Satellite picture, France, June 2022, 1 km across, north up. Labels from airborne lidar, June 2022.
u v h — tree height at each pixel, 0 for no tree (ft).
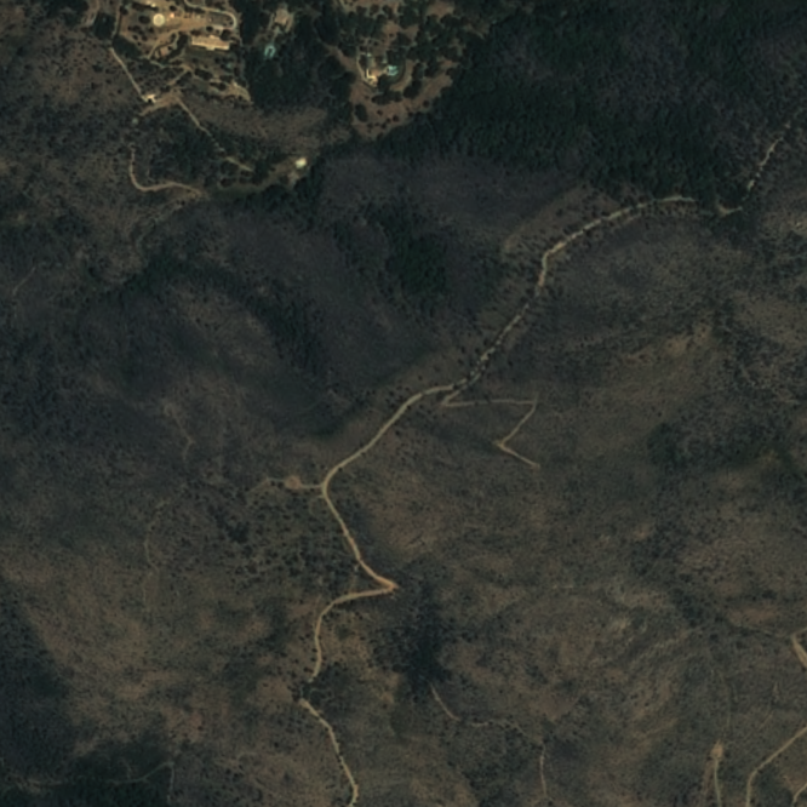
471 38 47
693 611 38
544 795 0
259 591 0
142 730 0
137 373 33
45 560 0
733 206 25
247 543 29
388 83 48
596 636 0
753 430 23
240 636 0
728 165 32
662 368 0
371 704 0
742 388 26
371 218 34
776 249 34
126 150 37
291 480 0
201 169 27
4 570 0
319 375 27
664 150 44
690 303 22
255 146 25
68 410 24
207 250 22
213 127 29
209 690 0
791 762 0
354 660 0
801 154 25
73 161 25
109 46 19
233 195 0
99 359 26
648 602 0
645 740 0
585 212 23
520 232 0
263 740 0
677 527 27
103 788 27
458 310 45
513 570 0
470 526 0
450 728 26
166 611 0
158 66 25
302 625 0
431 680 29
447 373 0
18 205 30
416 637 46
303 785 0
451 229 29
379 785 0
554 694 0
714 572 46
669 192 26
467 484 0
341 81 54
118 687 0
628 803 0
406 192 30
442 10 0
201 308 0
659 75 29
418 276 45
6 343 30
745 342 29
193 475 25
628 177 31
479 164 33
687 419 31
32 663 26
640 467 0
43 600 0
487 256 30
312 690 26
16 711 20
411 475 0
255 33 43
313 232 51
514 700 0
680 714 0
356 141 36
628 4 25
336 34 53
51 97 31
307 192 30
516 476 0
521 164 43
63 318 33
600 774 0
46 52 25
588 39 48
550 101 46
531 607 0
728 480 0
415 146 34
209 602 0
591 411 0
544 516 0
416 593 30
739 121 37
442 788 0
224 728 0
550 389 0
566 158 47
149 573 0
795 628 0
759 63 39
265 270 23
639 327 26
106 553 0
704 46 29
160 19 0
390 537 0
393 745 0
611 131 46
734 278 22
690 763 0
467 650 0
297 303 30
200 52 0
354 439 0
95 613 0
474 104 37
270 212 26
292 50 61
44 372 31
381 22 46
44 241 28
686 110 38
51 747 24
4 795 40
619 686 0
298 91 31
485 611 0
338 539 22
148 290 37
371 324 20
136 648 0
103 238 0
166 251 21
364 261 50
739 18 28
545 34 49
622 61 44
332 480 0
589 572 0
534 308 45
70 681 0
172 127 28
